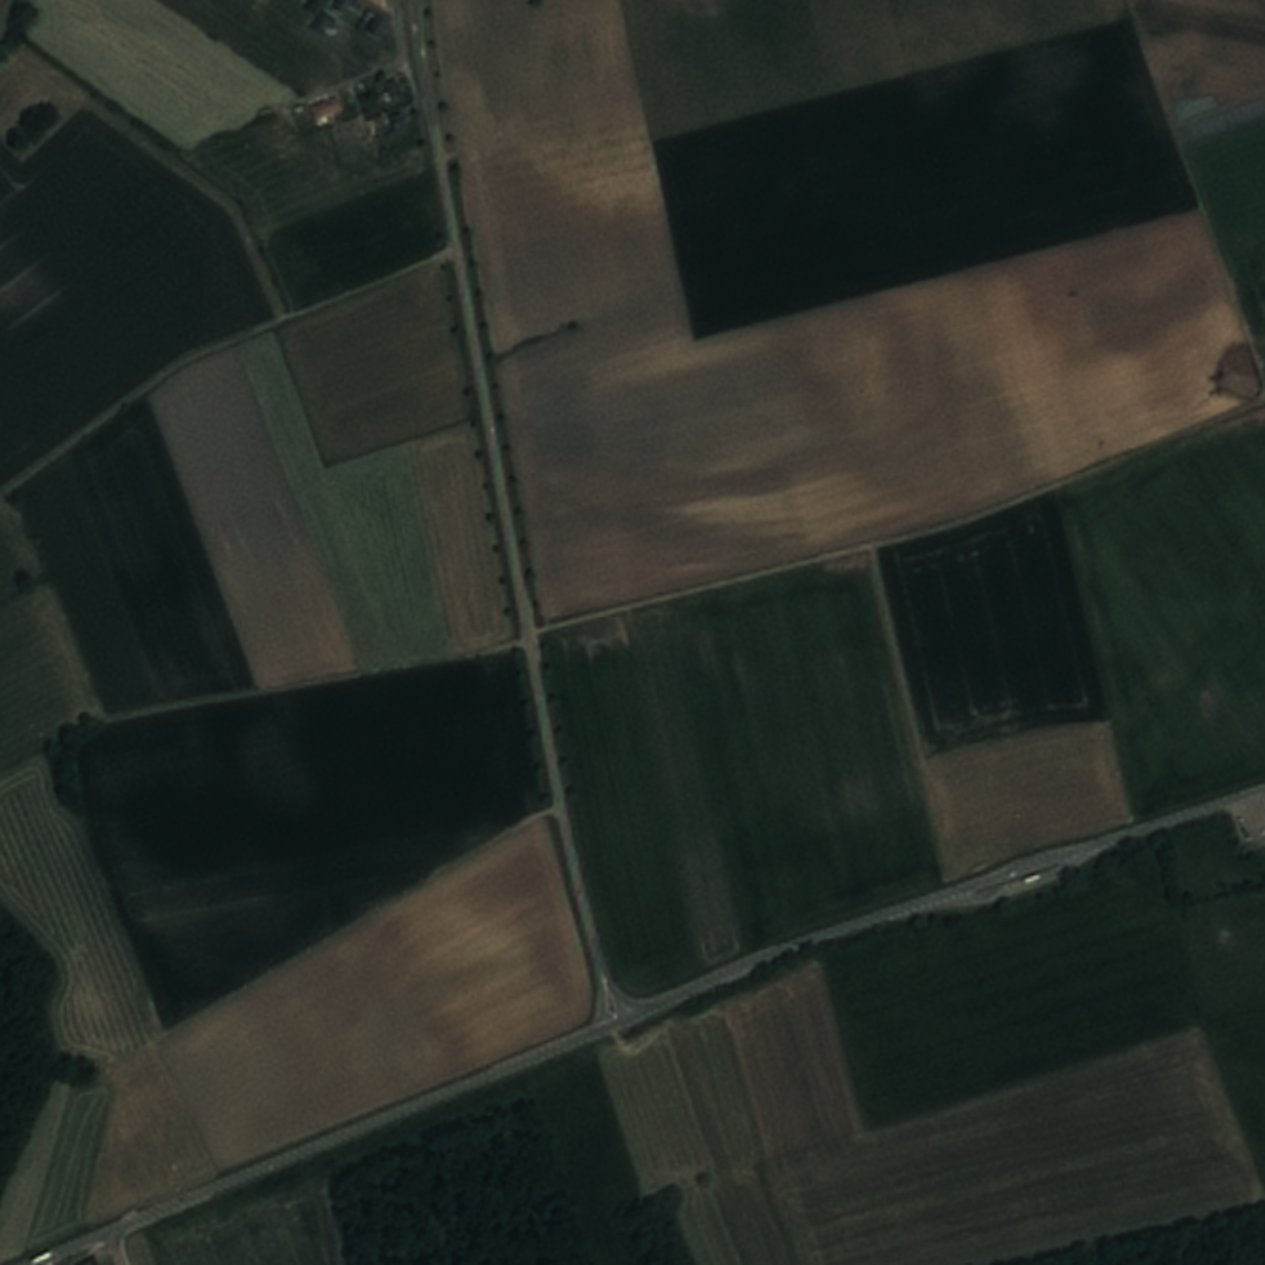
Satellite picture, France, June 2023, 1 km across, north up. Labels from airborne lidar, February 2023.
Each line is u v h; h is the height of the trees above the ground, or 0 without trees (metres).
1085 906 0
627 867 0
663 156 0
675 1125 0
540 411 0
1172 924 0
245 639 0
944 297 0
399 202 0
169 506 0
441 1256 23
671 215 0
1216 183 0
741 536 0
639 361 0
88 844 0
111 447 0
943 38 0
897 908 0
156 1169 0
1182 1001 0
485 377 0
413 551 0
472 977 0
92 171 0
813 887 0
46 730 0
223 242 0
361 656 0
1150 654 0
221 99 0
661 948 0
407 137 0
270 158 0
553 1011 0
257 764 0
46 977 14
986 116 0
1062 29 0
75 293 0
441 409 0
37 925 0
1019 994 0
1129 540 0
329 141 0
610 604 0
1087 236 0
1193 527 0
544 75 0
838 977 0
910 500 0
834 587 0
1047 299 0
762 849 0
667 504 0
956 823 0
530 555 0
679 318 0
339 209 0
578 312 0
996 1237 0
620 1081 0
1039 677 0
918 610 0
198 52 0
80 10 0
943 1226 0
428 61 0
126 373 0
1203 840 0
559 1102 0
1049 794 0
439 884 0
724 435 0
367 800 0
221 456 0
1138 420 0
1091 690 0
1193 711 0
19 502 14
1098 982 0
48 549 0
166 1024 0
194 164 0
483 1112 0
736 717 0
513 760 0
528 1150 22
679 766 0
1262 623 0
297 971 0
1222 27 0
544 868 0
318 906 0
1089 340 0
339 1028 0
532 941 0
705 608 0
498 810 0
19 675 0
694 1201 0
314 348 0
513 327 0
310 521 0
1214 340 0
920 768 0
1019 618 0
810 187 0
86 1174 0
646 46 0
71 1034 0
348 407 0
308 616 0
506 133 0
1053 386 0
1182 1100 0
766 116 0
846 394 0
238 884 0
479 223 0
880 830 0
